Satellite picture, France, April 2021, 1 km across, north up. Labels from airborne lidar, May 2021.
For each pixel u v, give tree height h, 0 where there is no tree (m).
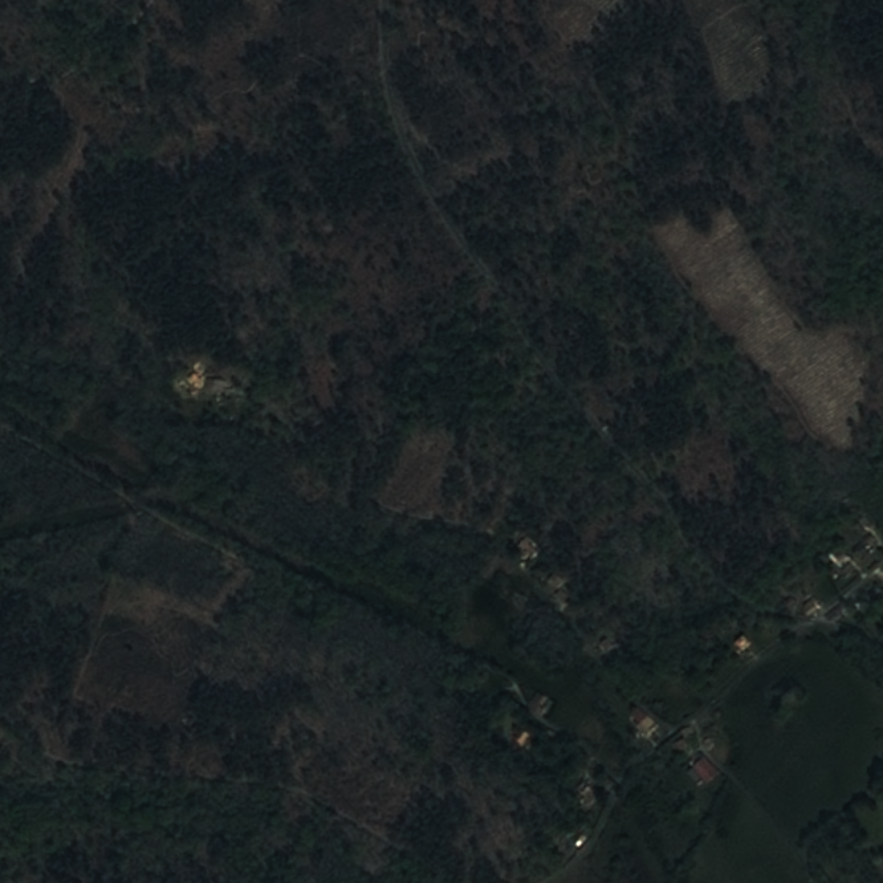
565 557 19
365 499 26
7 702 23
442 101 7
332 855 25
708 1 0
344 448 26
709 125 14
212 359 13
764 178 7
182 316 20
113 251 22
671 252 0
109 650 0
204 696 21
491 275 7
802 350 0
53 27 16
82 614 14
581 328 12
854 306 17
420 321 10
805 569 17
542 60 11
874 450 15
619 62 23
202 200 12
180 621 6
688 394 18
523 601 10
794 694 24
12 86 15
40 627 13
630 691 15
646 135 17
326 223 6
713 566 8
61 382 25
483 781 17
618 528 7
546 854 14
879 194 19
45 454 9
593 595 27
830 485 23
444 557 19
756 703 0
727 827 0
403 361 13
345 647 22
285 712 14
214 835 8
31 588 6
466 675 21
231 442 20
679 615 15
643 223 14
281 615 14
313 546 21
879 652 15
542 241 13
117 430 19
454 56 7
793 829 0
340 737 12
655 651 17
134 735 22
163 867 11
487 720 18
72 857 18
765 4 20
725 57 0
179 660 5
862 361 0
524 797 14
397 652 19
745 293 0
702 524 23
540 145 14
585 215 16
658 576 13
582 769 16
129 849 15
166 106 10
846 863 14
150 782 16
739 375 18
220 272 10
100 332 14
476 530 12
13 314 10
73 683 25
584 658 20
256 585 14
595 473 16
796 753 0
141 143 18
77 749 25
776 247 7
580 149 16
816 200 14
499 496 18
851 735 0
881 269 22
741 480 6
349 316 13
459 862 23
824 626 0
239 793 11
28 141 24
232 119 12
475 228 7
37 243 0
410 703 15
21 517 11
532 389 8
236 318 21
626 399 6
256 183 11
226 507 9
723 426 10
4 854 21
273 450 11
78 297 24
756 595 16
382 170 13
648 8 12
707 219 16
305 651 15
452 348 16
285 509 16
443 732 8
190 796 9
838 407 0
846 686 0
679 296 14
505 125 11
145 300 17
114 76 17
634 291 13
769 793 0
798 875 0
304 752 25
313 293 16
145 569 14
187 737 6
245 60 0
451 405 16
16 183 24
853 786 0
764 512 23
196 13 18
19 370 24
